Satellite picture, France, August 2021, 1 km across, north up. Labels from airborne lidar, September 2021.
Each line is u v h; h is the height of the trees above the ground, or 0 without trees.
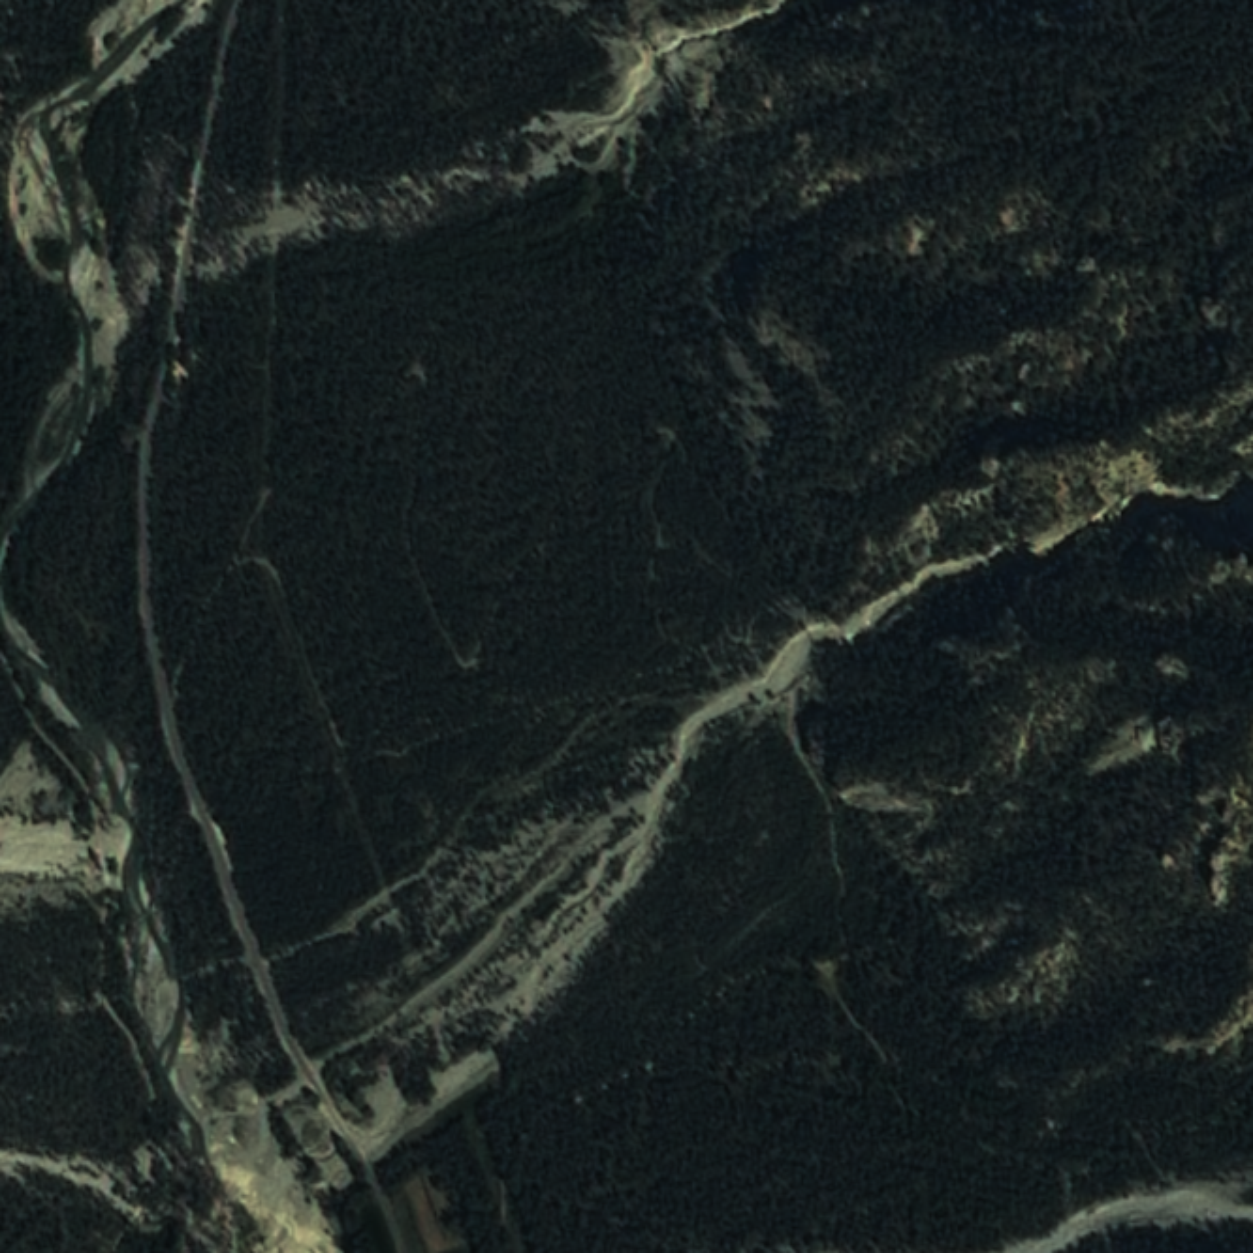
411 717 8
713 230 13
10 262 15
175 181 13
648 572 8
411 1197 0
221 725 6
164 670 7
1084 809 12
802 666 0
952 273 13
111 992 9
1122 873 9
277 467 12
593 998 9
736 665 6
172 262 14
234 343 11
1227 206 9
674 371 10
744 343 14
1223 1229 6
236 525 10
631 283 17
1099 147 15
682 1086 12
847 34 10
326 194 10
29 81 6
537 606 8
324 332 7
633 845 0
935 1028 15
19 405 12
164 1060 0
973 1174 8
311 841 7
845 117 11
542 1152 10
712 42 0
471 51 6
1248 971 9
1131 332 11
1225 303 9
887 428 10
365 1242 19
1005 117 13
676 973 8
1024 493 6
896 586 12
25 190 0
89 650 9
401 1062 9
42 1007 9
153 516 7
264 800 7
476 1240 19
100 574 12
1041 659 8
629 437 6
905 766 11
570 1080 10
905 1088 12
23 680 14
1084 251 18
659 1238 14
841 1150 10
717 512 10
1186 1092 9
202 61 8
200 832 7
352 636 10
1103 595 11
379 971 7
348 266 11
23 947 8
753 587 8
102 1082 8
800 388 10
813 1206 9
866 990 9
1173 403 7
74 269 0
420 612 10
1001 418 6
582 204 14
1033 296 18
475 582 10
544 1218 15
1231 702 7
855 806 8
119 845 0
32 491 0
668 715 6
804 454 9
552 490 10
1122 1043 9
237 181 14
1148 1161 7
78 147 0
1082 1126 8
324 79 11
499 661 8
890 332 12
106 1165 8
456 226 8
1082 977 10
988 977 11
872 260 12
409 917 6
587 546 7
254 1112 0
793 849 7
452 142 10
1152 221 17
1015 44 12
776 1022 13
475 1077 0
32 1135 8
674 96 10
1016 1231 6
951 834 6
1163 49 11
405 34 17
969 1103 7
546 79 7
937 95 10
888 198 8
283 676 10
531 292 9
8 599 7
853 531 8
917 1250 8
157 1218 21
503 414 9
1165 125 10
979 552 8
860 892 9
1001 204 9
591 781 8
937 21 6
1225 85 11
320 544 6
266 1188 0
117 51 0
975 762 11
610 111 0
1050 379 6
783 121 7
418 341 8
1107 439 15
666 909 8
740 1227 9
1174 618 12
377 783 7
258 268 7
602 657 8
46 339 11
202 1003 12
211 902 7
